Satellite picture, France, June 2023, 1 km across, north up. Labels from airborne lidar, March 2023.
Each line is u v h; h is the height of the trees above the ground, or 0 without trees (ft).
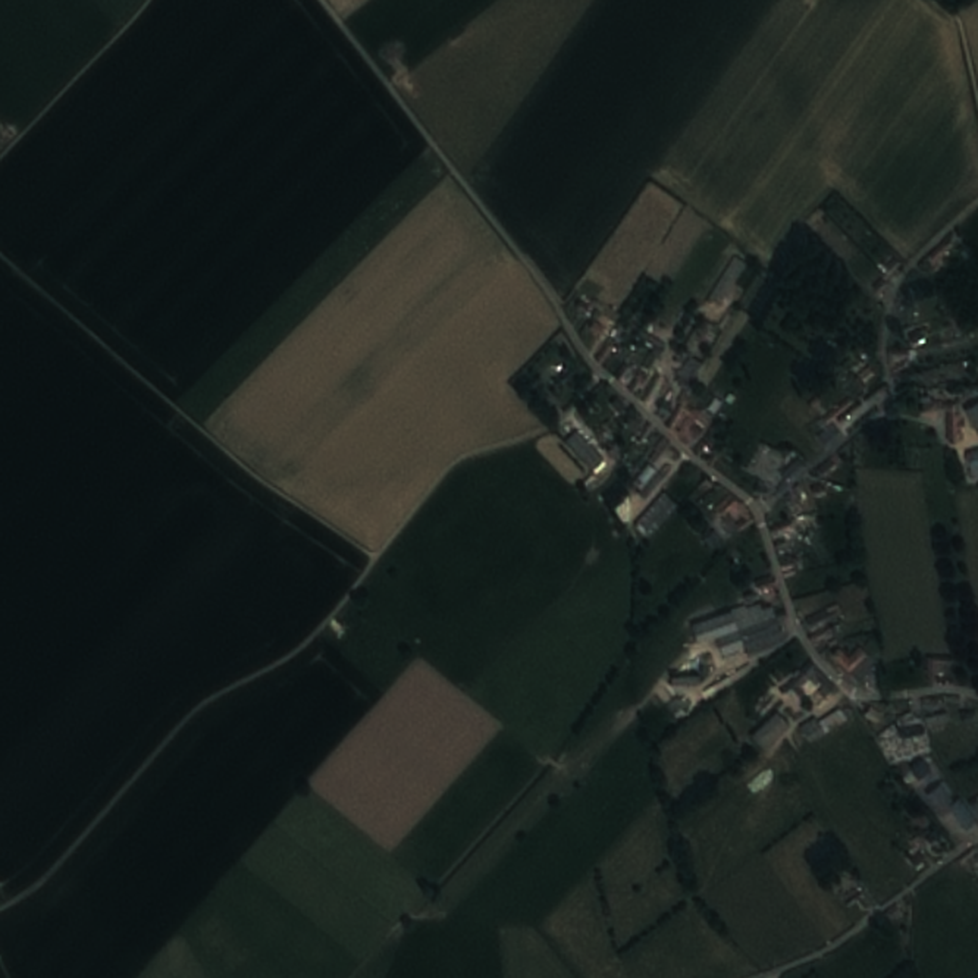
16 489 0
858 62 0
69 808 0
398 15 0
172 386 0
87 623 0
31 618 0
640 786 0
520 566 0
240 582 0
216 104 0
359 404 0
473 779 0
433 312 0
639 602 28
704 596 0
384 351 0
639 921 0
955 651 46
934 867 0
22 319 0
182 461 0
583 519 0
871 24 0
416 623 0
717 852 0
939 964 0
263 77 0
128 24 0
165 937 0
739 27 0
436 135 0
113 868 0
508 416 0
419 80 0
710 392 0
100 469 0
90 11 0
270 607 0
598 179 0
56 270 0
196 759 0
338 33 0
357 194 0
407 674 0
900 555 0
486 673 0
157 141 0
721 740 0
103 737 0
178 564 0
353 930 0
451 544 0
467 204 0
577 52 0
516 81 0
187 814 0
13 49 0
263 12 0
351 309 0
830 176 0
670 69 0
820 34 0
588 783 0
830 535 0
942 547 53
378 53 0
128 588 0
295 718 0
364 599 46
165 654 0
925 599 0
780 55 0
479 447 0
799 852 0
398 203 0
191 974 0
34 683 0
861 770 0
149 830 0
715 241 0
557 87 0
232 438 0
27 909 0
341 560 0
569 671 0
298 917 0
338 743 0
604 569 0
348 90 0
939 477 0
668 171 0
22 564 0
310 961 0
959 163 0
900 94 0
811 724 0
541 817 0
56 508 0
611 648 0
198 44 0
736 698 0
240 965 0
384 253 0
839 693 0
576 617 0
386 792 0
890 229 0
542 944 0
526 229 0
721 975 0
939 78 0
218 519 0
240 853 0
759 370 0
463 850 0
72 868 0
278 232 0
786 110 0
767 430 0
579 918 0
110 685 0
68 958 0
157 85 0
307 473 0
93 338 0
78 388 0
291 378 0
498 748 0
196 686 0
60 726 0
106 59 0
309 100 0
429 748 0
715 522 0
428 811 0
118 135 0
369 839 0
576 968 0
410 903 0
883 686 51
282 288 0
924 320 0
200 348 0
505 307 0
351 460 0
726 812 0
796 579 0
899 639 0
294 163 0
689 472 44
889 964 0
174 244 0
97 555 0
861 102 0
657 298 60
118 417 0
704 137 0
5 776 0
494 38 0
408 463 0
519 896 0
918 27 0
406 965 0
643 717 28
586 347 0
